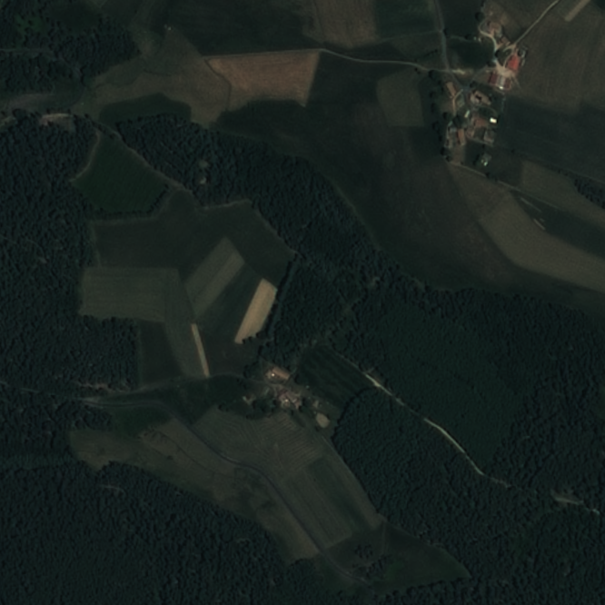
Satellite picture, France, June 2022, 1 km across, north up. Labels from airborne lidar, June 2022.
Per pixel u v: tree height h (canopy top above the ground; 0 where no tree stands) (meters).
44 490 28
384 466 25
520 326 19
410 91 0
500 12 0
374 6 0
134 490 18
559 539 16
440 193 0
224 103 0
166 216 0
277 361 23
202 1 0
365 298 8
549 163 0
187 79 0
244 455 0
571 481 31
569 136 0
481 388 15
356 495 0
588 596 17
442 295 21
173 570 29
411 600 23
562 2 0
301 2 0
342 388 0
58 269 23
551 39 0
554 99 0
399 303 17
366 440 26
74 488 29
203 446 0
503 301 16
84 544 24
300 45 0
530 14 0
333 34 0
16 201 30
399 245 0
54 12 0
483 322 19
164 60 0
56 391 27
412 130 0
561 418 27
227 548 28
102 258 0
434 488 27
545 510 11
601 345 18
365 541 0
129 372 23
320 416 0
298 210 25
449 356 16
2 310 21
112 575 23
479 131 0
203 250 0
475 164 11
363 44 0
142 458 0
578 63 0
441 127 20
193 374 0
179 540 27
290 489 0
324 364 0
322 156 0
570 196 0
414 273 9
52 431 29
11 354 27
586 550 15
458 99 0
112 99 0
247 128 0
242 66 0
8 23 23
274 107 0
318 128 0
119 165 0
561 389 22
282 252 0
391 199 0
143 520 26
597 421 27
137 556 25
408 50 0
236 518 25
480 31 0
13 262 13
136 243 0
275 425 0
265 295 0
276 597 19
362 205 0
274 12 0
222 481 0
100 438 0
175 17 0
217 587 21
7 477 31
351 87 0
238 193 18
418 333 17
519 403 16
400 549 0
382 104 0
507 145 0
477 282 0
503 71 0
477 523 23
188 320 0
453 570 0
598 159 0
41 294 16
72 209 22
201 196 17
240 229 0
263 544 23
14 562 32
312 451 0
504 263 0
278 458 0
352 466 24
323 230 18
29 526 27
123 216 21
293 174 22
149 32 0
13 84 22
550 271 0
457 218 0
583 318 19
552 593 8
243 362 0
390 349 17
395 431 25
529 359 14
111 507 24
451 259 0
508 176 0
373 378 0
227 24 0
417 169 0
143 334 0
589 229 0
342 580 0
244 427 0
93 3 0
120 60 18
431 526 25
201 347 0
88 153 22
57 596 26
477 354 15
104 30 13
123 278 0
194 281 0
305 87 0
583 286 0
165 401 0
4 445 17
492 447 15
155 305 0
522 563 10
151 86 0
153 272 0
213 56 0
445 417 16
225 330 0
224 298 0
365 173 0
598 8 0
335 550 0
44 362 20
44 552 28
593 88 0
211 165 8
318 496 0
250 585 19
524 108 0
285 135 0
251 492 0
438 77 19
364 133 0
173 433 0
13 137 20
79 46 16
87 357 18
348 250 20
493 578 29
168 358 0
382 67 0
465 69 0
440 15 0
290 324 18
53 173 30
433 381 15
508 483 8
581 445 31
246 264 0
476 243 0
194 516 22
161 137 20
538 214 0
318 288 18
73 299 19
